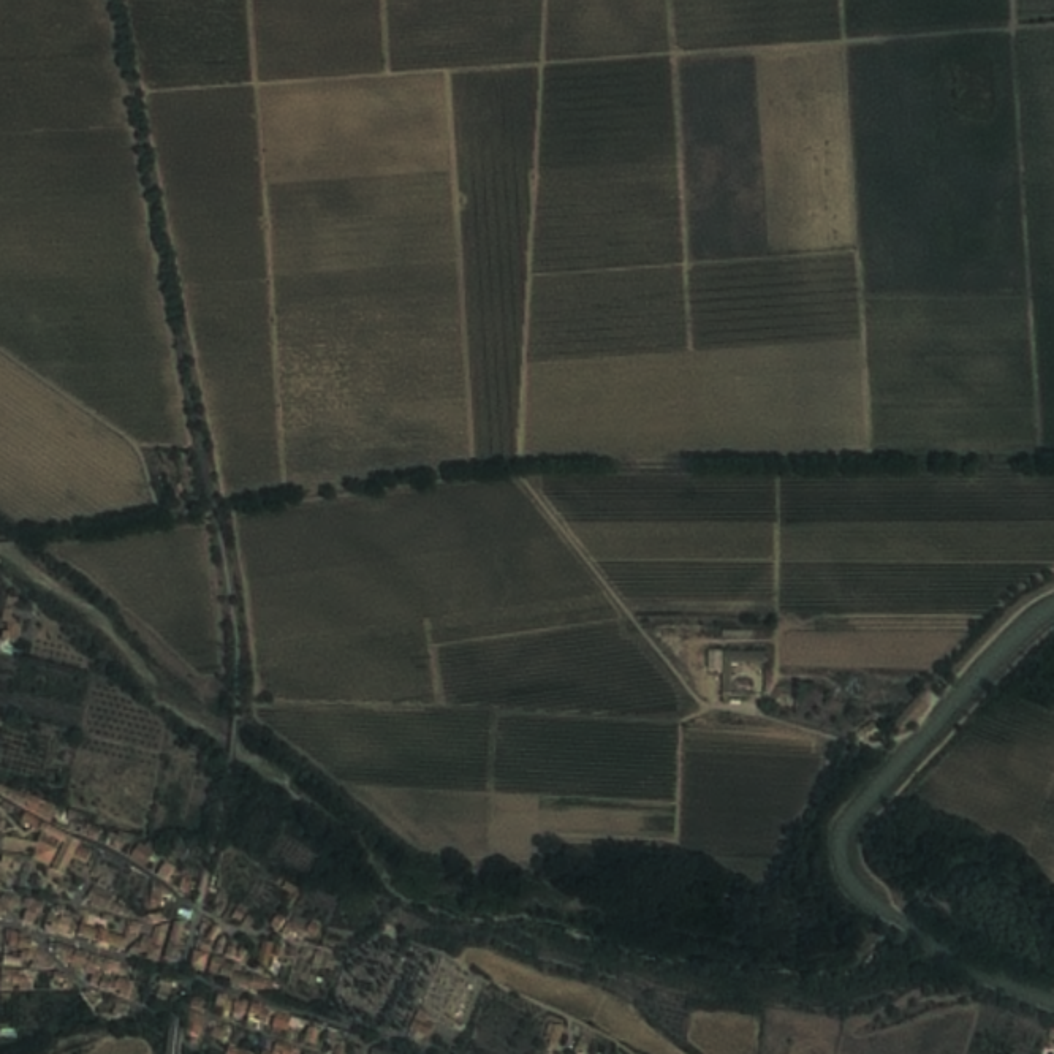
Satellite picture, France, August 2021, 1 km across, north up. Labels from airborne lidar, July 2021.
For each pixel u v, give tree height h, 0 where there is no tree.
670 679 0
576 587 0
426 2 0
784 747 0
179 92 0
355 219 0
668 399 0
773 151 0
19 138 0
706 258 0
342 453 0
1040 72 0
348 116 0
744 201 0
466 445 0
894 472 20
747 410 0
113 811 0
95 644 8
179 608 0
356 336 0
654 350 0
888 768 0
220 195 0
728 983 11
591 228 0
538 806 0
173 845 7
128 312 0
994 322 0
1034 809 0
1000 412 0
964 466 12
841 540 0
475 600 0
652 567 0
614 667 0
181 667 0
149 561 0
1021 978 19
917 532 0
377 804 0
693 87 0
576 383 0
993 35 0
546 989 0
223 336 0
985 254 0
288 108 0
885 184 0
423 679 0
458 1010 0
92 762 0
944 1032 0
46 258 0
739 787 0
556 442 0
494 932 6
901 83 0
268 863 6
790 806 0
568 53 0
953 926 15
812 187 0
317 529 0
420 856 8
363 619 0
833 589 0
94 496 0
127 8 9
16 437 0
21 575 0
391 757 0
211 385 0
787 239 0
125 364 0
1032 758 0
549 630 0
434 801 0
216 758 15
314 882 10
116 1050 0
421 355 0
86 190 0
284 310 0
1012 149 0
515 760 0
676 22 0
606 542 0
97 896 0
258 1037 7
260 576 0
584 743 0
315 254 0
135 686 8
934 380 0
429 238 0
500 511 0
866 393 0
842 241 0
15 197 0
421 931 7
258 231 0
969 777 0
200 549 0
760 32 0
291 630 0
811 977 17
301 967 0
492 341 0
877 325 0
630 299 0
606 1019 0
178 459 7
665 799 0
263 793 13
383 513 0
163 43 0
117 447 0
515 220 0
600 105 0
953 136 0
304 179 0
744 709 0
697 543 0
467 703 0
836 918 19
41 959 0
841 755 8
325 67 0
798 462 20
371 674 0
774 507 0
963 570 0
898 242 0
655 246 0
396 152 0
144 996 9
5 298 0
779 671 0
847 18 0
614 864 21
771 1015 0
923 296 0
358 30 0
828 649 0
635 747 0
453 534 0
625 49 0
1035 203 0
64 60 0
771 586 0
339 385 0
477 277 0
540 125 0
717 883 8
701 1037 0
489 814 0
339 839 34
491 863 13
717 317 0
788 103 0
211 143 0
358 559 0
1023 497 0
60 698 6
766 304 0
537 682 0
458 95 0
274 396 0
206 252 0
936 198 0
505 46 0
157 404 0
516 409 0
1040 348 0
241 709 6
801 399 0
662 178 0
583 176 0
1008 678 11
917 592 0
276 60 0
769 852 0
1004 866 22
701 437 0
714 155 0
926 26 0
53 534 18
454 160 0
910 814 22
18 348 0
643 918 14
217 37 0
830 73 0
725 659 0
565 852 18
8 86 0
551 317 0
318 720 0
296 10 0
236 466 0
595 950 6
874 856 22
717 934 8
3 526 11
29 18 0
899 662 0
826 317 0
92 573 0
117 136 0
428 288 0
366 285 0
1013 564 0
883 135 0
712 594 0
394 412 0
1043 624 0
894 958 10
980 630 17
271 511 19
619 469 18
